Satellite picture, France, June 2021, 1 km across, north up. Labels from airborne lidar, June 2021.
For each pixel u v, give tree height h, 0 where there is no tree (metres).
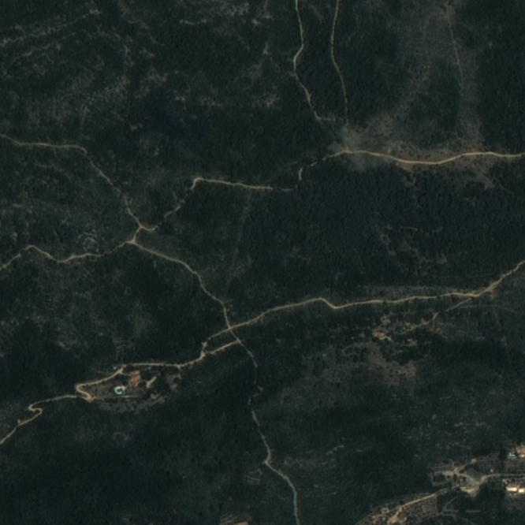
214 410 12
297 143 7
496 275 6
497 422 6
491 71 5
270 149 9
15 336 9
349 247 11
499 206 9
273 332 7
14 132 7
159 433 9
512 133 9
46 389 8
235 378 11
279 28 6
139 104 8
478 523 9
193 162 8
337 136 12
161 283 9
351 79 9
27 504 17
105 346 9
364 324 7
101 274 9
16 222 8
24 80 6
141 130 8
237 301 6
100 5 8
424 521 8
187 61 8
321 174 9
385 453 8
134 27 7
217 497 8
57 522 17
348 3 6
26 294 7
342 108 9
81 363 8
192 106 6
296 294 6
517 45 9
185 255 8
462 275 9
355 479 8
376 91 10
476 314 8
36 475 14
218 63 10
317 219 11
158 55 7
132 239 0
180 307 9
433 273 9
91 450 8
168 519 8
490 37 7
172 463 7
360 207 14
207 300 8
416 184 10
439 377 5
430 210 14
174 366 7
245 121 6
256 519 9
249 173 7
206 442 7
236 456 10
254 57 7
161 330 9
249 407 9
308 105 10
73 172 7
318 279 8
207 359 9
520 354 7
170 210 11
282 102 9
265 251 7
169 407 8
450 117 6
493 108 6
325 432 6
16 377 11
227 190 13
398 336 7
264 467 5
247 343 8
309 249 10
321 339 11
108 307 6
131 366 8
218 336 6
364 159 10
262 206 10
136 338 7
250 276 7
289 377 9
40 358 8
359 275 8
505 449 7
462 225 13
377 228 11
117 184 7
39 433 7
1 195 8
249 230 8
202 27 9
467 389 7
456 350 8
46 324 6
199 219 11
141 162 5
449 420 6
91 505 12
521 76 11
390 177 14
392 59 6
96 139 6
